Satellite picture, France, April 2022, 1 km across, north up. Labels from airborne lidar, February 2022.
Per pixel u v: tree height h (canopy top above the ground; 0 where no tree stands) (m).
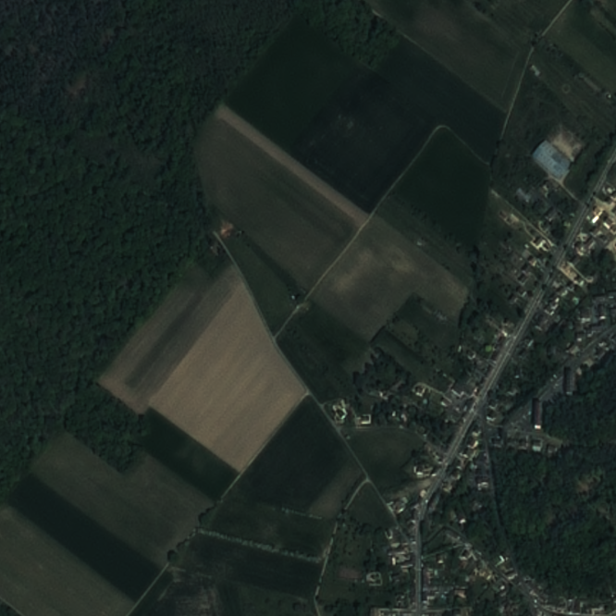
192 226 21
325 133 0
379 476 0
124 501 0
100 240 29
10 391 30
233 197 0
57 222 32
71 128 22
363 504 0
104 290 27
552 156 0
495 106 0
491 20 0
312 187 0
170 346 0
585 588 14
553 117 0
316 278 0
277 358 0
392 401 17
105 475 0
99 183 28
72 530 0
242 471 0
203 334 0
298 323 0
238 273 0
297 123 0
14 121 30
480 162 0
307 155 0
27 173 29
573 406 17
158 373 0
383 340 0
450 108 0
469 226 0
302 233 0
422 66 0
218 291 0
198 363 0
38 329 22
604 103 0
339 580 0
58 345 29
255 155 0
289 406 0
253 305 0
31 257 26
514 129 0
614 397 21
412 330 0
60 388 26
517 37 0
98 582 0
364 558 0
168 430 0
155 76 19
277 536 0
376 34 23
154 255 27
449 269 6
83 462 0
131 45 21
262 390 0
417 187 0
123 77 16
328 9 22
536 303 0
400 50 0
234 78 15
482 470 0
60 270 18
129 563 0
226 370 0
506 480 12
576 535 19
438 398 0
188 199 13
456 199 0
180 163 8
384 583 0
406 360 0
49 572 0
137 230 25
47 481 0
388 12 0
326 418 0
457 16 0
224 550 0
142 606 0
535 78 0
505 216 0
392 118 0
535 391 12
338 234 0
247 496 0
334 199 0
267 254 0
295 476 0
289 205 0
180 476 0
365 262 0
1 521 0
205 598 0
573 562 22
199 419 0
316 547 0
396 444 0
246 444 0
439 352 6
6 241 25
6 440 34
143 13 17
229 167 0
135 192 29
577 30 0
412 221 0
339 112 0
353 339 0
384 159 0
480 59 0
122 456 21
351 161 0
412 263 0
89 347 29
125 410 22
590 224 0
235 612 0
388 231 0
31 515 0
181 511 0
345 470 0
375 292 0
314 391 0
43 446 24
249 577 0
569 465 18
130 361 0
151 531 0
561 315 6
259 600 0
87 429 18
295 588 0
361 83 0
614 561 21
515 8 0
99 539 0
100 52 18
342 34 20
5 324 29
